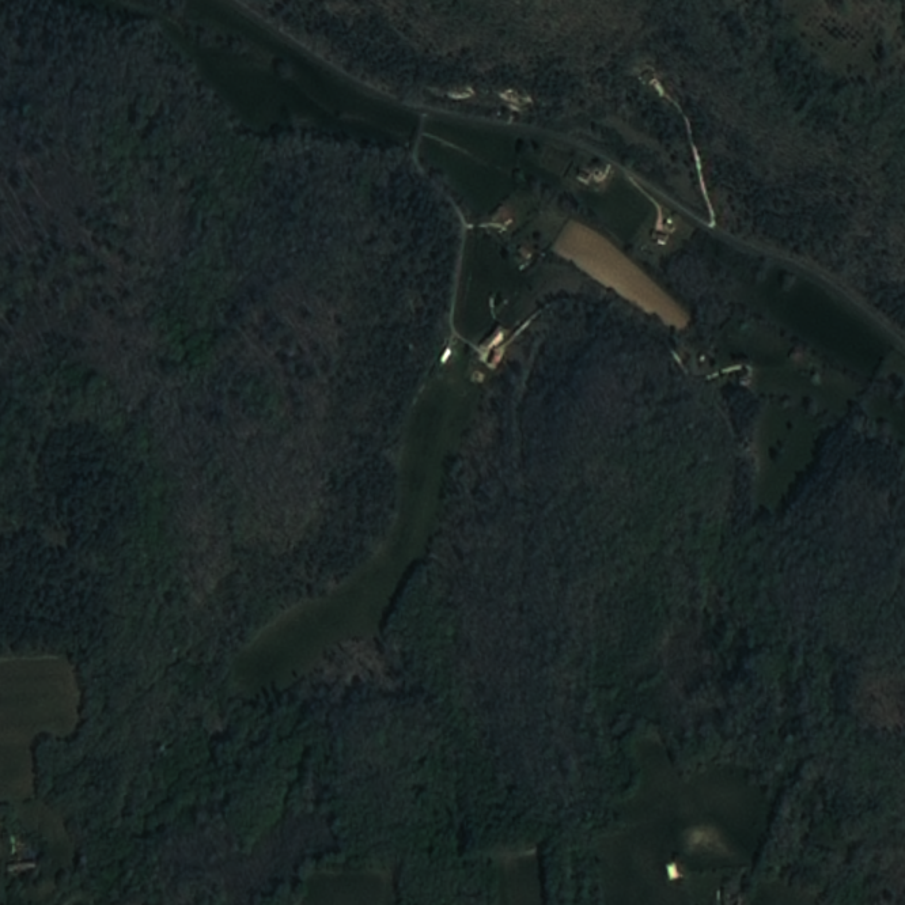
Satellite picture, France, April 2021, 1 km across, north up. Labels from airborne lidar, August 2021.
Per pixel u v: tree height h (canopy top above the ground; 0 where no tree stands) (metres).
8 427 22
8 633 14
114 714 20
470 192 0
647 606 8
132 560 21
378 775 14
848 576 15
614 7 15
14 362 12
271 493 20
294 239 21
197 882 20
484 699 18
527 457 11
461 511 15
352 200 18
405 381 19
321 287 17
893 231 16
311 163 15
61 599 18
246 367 13
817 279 0
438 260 21
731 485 13
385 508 27
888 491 18
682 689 8
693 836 0
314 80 0
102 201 13
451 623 18
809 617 15
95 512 7
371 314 16
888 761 16
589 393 15
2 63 14
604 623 11
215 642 19
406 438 0
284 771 24
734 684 6
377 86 15
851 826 20
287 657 0
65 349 10
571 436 20
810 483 18
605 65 16
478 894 17
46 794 16
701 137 13
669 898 0
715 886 0
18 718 0
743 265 8
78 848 16
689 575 20
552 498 14
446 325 12
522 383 18
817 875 19
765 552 23
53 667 0
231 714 24
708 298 11
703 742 20
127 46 16
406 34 8
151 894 15
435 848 22
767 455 0
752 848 0
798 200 15
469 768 22
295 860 14
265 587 19
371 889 0
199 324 23
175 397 25
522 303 0
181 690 22
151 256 22
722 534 21
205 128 18
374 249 19
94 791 20
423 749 22
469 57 15
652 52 15
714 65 20
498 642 18
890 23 7
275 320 17
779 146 16
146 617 24
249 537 19
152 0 20
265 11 12
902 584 20
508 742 19
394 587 0
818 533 15
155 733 23
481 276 0
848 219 15
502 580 16
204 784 20
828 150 18
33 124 21
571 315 6
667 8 22
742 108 18
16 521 14
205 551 24
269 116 0
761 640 19
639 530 15
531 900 0
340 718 16
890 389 14
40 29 24
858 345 0
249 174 21
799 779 13
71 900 18
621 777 11
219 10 0
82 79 16
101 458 12
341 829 22
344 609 0
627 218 0
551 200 15
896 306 15
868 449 17
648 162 9
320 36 13
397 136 0
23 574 13
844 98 16
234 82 0
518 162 0
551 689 21
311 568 19
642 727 19
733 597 24
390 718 21
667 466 22
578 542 16
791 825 14
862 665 17
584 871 13
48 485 11
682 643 10
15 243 14
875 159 17
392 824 19
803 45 10
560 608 17
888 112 17
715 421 15
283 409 14
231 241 26
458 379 0
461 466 20
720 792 0
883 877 7
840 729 16
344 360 12
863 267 12
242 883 18
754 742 22
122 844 24
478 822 26
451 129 0
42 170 11
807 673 20
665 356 11
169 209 25
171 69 17
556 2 15
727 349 0
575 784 24
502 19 15
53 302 14
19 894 6
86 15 17
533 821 28
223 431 21
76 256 12
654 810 0
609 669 11
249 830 18
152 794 21
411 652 18
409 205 13
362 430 18
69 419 21
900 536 16
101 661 22
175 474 18
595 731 14
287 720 19
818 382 6
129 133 21
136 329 19
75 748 18
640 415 25
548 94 10
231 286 22
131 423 20
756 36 13
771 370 0
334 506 18
